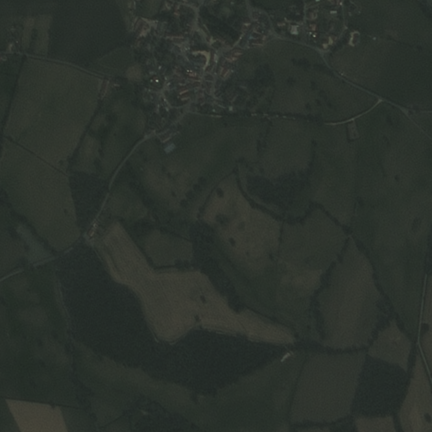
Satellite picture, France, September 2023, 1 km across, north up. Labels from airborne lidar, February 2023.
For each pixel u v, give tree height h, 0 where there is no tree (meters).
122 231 0
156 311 0
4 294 0
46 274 0
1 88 0
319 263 0
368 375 12
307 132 0
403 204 0
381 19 0
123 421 0
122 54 0
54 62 0
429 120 0
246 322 0
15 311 0
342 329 0
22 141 0
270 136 0
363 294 0
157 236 0
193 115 0
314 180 0
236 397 0
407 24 0
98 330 23
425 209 0
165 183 0
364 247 15
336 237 0
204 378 13
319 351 16
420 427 0
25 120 0
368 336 0
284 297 0
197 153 0
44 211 0
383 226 0
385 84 0
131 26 0
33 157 0
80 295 22
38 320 0
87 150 0
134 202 0
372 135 0
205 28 0
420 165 0
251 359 13
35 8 0
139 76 0
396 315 10
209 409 0
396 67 0
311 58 0
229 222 0
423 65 0
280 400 0
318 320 18
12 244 0
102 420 0
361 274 0
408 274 0
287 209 12
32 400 0
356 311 0
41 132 0
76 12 0
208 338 6
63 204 0
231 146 0
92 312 24
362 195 0
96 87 0
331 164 0
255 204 9
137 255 0
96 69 0
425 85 0
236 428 0
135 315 23
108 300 25
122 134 0
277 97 0
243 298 0
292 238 0
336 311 0
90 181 18
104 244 0
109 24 0
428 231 0
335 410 0
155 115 7
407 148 0
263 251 0
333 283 0
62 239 0
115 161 0
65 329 0
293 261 0
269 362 12
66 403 0
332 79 0
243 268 0
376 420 0
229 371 12
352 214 0
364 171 0
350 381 0
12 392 0
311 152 0
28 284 0
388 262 0
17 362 0
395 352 0
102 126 0
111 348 18
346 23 0
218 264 14
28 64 0
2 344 0
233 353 9
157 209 9
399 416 13
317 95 0
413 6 0
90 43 0
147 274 0
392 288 0
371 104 0
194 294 0
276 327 0
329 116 0
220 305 0
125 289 18
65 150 0
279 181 10
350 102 0
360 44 0
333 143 0
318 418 0
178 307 0
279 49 0
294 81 12
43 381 0
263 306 0
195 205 0
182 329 0
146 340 18
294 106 0
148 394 0
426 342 0
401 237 0
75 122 0
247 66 0
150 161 0
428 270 13
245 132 0
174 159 0
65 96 0
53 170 0
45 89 0
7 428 0
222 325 0
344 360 0
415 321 0
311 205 12
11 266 0
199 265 17
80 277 20
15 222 0
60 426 0
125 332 22
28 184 0
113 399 0
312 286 0
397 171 0
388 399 19
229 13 0
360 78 0
